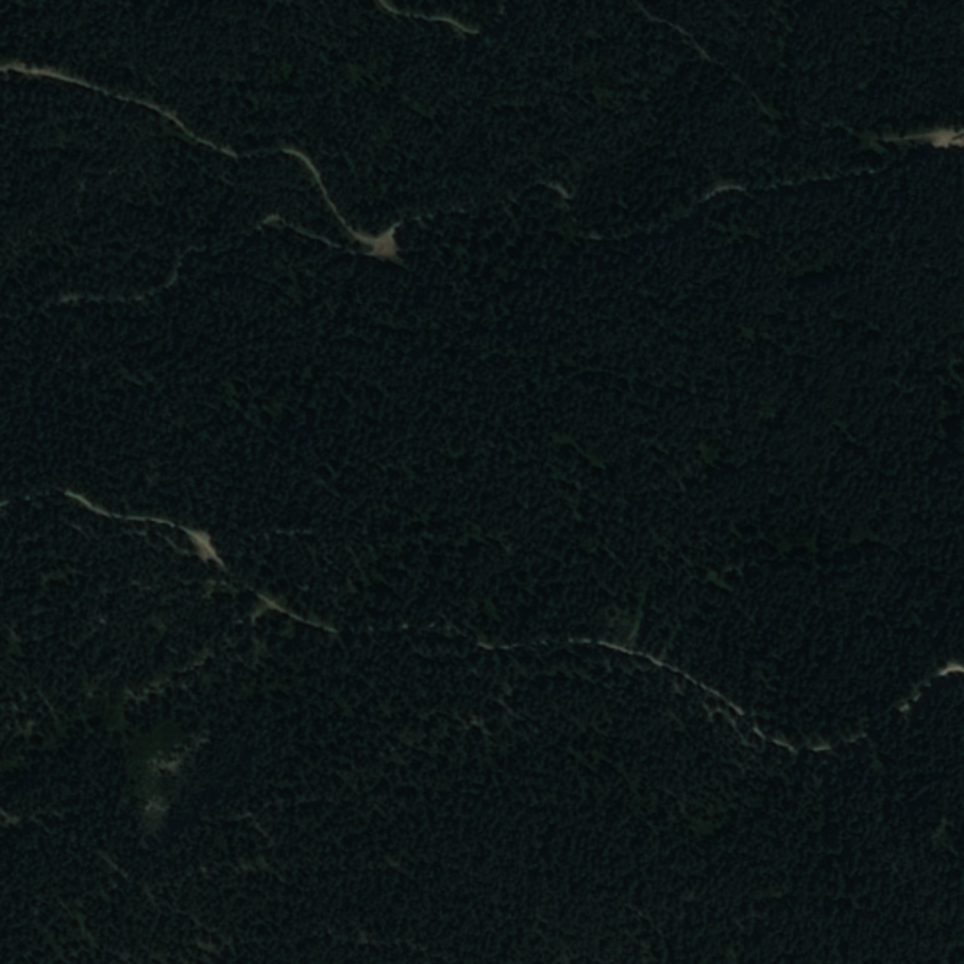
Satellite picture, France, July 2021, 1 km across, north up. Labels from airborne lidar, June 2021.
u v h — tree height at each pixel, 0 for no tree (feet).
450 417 34
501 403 103
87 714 43
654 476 68
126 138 68
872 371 98
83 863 68
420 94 87
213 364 69
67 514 61
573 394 96
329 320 94
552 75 74
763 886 85
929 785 64
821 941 78
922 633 56
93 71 96
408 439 84
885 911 75
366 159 93
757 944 99
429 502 81
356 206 95
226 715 71
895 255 85
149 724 61
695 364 98
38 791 77
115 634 46
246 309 99
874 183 95
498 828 88
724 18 87
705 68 48
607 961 35
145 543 65
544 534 85
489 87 82
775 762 71
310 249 97
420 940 61
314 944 85
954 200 64
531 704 73
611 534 84
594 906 53
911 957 76
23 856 74
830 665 88
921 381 116
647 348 99
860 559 111
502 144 64
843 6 82
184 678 60
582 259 97
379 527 31
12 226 72
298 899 71
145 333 78
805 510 77
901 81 67
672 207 125
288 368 32
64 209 62
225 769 24
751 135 89
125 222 61
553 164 54
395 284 110
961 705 75
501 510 57
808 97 94
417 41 78
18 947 38
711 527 92
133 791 35
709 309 93
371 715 84
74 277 58
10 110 82
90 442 78
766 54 74
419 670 42
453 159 30
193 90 82
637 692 73
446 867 81
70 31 24
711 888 63
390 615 92
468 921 80
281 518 27
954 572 36
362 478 82
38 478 68
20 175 63
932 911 93
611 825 64
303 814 95
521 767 52
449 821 72
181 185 29
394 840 78
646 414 92
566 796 71
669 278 80
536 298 102
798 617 90
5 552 51
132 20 94
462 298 20
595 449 71
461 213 67
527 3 81
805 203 74
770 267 85
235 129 21
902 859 68
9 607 50
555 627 27
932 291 75
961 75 86
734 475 97
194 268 95
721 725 75
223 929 71
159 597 57
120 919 80
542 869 53
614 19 79
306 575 75
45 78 28
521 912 64
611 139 64
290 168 70
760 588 92
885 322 83
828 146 92
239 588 35
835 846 91
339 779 62
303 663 81
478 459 86
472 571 70
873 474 100
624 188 52
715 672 66
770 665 96
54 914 67
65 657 43
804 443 87
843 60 71
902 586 85
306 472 92
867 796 86
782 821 82
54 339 89
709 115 82
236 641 66
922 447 106
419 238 77
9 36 44
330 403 74
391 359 109
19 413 54
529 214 109
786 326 84
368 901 90
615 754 60
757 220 85
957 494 90
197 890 68
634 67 72
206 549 0
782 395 87
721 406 81
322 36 80
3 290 44
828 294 79
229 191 106
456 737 58
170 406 78
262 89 80
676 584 104
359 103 85
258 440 85
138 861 79
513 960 60
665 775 77
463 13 100
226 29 87
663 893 79
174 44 59
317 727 33
